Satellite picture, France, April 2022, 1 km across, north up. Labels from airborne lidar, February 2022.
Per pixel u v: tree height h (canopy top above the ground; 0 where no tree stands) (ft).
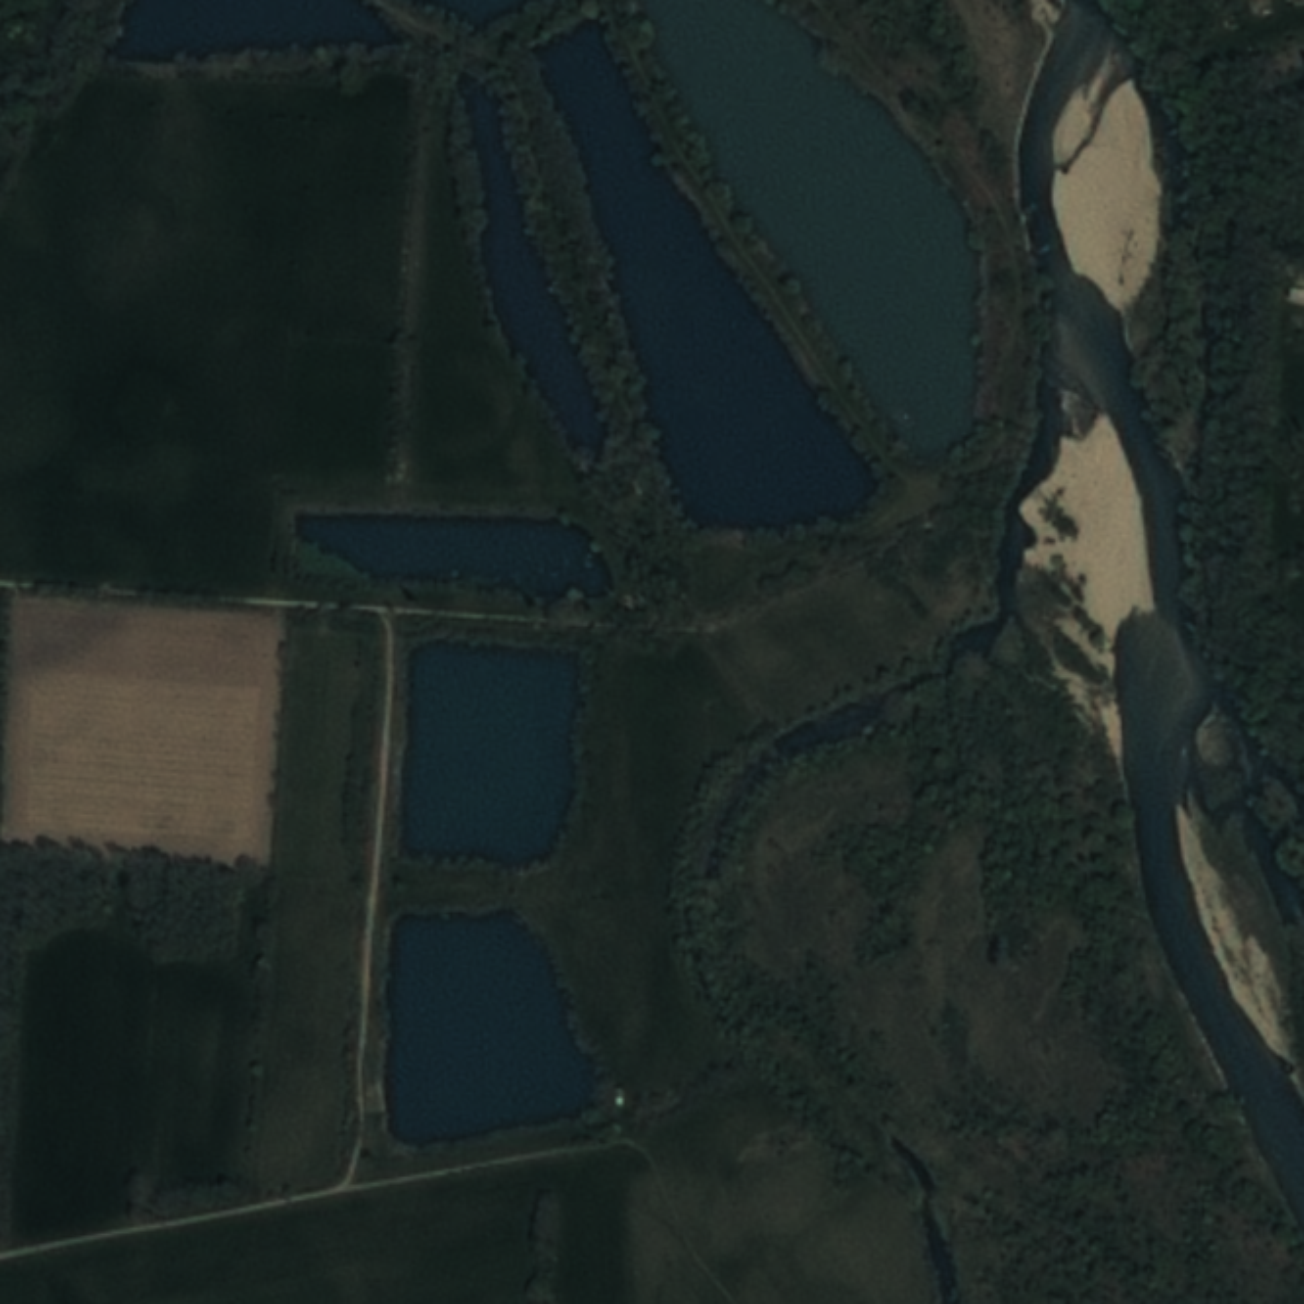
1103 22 0
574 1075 0
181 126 0
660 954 0
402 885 37
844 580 0
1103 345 0
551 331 0
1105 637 23
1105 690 0
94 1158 0
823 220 0
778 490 0
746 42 0
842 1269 0
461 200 43
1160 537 0
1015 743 21
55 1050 0
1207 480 67
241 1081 0
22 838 0
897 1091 22
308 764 0
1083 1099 0
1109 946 37
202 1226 0
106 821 0
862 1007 0
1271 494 57
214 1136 0
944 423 0
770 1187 0
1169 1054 51
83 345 0
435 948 0
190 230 0
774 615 0
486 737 0
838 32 0
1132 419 0
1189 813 0
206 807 0
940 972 0
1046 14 0
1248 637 70
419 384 0
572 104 0
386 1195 0
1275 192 63
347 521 0
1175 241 58
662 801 0
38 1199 0
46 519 0
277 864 0
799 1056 0
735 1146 0
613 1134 48
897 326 0
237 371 0
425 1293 0
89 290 0
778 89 0
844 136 0
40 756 0
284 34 0
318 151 0
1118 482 0
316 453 0
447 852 0
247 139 0
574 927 0
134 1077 0
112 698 0
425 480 0
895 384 0
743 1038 54
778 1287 0
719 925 32
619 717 0
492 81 30
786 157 0
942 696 20
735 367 0
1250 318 74
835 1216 0
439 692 0
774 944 0
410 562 0
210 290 0
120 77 0
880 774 0
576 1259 0
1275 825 35
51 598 44
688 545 43
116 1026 0
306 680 0
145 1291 0
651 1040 0
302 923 0
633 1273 0
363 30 0
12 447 0
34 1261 0
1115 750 0
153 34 0
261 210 0
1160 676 0
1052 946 0
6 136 0
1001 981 0
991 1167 0
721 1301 0
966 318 0
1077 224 0
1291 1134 0
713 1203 0
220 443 0
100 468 0
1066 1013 0
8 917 51
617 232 0
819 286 0
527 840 0
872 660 0
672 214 0
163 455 0
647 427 43
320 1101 0
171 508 0
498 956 0
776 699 0
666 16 0
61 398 0
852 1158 38
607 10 33
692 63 0
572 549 0
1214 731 0
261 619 0
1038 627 0
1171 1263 33
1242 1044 0
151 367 0
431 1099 0
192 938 82
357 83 61
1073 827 33
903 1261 0
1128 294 0
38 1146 0
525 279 0
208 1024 0
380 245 0
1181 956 0
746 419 0
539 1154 0
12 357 0
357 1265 0
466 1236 0
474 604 0
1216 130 61
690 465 0
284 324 0
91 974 0
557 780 0
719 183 27
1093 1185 53
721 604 0
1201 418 34
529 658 0
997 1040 0
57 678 0
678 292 0
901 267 0
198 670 0
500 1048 0
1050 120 0
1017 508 0
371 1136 0
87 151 0
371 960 0
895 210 0
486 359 0
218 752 0
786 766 38
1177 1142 0
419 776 0
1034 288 48
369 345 0
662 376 0
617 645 50
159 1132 0
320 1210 0
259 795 0
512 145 59
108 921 49
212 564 0
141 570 0
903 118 0
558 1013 0
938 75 0
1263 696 51
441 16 53
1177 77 90
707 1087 41
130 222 0
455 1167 0
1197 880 0
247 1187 36
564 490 0
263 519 0
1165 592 0
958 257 0
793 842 0
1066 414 0
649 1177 0
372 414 0
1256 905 0
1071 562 0
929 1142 0
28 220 0
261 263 0
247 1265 0
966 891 0
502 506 0
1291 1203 0
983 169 0
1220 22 0
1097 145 0
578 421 0
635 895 0
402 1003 0
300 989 0
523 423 0
